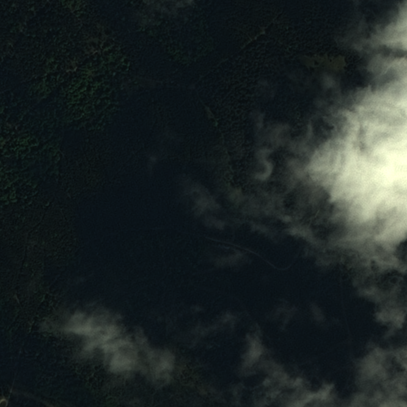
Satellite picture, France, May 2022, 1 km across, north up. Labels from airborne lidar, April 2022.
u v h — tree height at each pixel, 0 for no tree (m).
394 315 17
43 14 29
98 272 8
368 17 19
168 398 0
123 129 14
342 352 6
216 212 19
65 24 26
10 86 19
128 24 25
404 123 21
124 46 21
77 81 15
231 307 7
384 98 16
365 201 22
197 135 15
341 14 17
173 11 22
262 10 18
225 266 10
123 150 13
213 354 22
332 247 19
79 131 16
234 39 20
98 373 13
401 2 12
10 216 22
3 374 23
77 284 9
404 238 9
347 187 25
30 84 16
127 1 13
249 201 10
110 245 8
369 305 6
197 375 8
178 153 19
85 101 21
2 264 15
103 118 6
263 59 22
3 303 12
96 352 10
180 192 15
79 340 7
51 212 16
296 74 7
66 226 15
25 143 17
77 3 16
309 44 18
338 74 0
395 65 6
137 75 17
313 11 17
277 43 22
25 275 17
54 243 16
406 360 14
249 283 13
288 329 12
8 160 9
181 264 10
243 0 21
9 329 18
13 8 22
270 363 6
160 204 17
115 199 17
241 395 20
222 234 20
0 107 23
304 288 13
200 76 13
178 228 19
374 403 11
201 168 19
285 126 8
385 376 16
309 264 21
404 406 17
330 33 15
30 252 16
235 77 30
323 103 22
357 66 16
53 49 24
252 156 21
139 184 17
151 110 20
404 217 19
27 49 22
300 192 24
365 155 24
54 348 12
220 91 21
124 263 8
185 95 17
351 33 21
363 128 24
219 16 20
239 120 26
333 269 20
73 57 19
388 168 20
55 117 22
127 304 6
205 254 7
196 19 25
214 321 11
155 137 19
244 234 19
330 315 10
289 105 16
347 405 18
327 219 24
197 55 16
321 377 14
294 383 19
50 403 15
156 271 9
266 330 10
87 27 26
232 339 9
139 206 19
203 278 15
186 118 17
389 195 21
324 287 20
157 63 23
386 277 14
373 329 19
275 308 16
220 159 18
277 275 12
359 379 16
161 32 24
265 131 15
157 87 6
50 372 19
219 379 6
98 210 16
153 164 15
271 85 17
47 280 18
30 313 19
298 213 14
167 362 0
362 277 7
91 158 16
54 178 16
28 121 19
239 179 17
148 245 6
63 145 14
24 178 20
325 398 18
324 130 15
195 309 15
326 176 23
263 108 22
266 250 12
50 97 22
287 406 18
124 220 19
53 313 18
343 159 22
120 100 7
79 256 17
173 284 6
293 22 16
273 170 20
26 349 11
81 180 14
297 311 15
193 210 20
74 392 10
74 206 17
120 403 7
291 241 15
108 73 21
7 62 23
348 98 11
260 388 11
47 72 16
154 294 12
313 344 18
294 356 14
